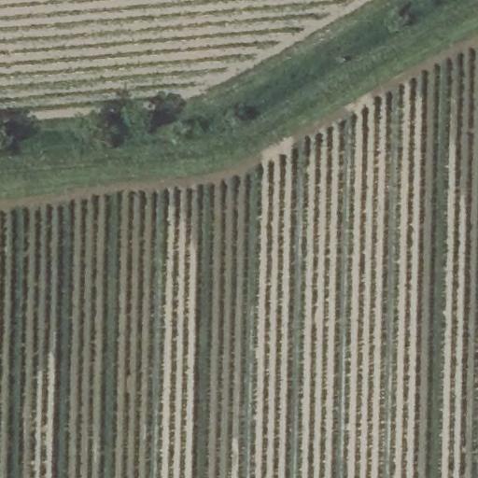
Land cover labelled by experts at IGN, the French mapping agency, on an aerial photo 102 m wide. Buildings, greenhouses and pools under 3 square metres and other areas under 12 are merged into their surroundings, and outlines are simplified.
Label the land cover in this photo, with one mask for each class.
<instances>
[{"label":"vineyard","instance_id":"1","mask_svg":"<svg viewBox=\"0 0 478 478\"><path fill-rule=\"evenodd\" d=\"M370 0H0V106H24L30 112L28 118L84 116L91 114V118H97V114L105 106V101L110 99H136L174 93L187 99L200 95L209 86L235 77L237 73L263 62L265 58L288 49L295 41H302L317 28L327 26L338 17H344ZM0 478H478V32L465 35L452 45H448L446 49H439L437 54H431L428 58L413 63L409 69L400 71L398 77L375 84L370 93L362 95L355 103L332 110L327 116L317 119L316 123L304 125L299 131H295L271 148L250 155L245 161L220 168L218 172H198L190 176L157 179L121 177L105 181L103 185L90 183L78 189L45 192L35 196L4 198L0 194Z\"/></svg>","mask_w":478,"mask_h":478},{"label":"herbaceous vegetation","instance_id":"2","mask_svg":"<svg viewBox=\"0 0 478 478\"><path fill-rule=\"evenodd\" d=\"M377 9H383L387 15L388 11L394 9L400 13V26L403 30L392 39H388L387 43L377 45L370 52H364L357 58H353V54H345V58L338 56L336 69L329 71L323 80H317L314 84H308L306 88L295 91L291 97L265 110L263 114H258L254 106H246L245 114L248 121H239L232 133H222L220 138L192 140L194 133L187 131L183 140L189 142L183 148H168V138L162 131L164 125L177 121L183 125H198L202 129H207L213 121L215 112H226L228 108L232 110L233 103L243 101L245 91L260 88L261 84H265L273 75L293 71V67L301 62L306 52H312L317 58L325 52L342 47V43L351 39L353 35L351 28L360 22H368L372 11ZM478 32V0H370L344 17H338L327 26L317 28L302 41H295L288 49L265 58L263 62L237 73L235 77L209 86L200 95L187 99L174 93L136 99H110L105 101V106L97 114V118L99 127L91 136L101 140L105 153H93L90 161H77L71 164L69 172L50 174L37 181L15 177L13 181L0 185V194L4 198L35 196L45 192L78 189L90 183L103 185L105 181L121 177L157 179L190 176L198 172H218L220 168L245 161L250 155L271 148L295 131H299L304 125L316 123L317 119L327 116L332 110L355 103L362 95L370 93L375 84L398 77L400 71L409 69L413 63L428 58L431 54H437L439 49H446L448 45H452L465 35ZM30 112L24 106H0V159L4 155H19V142L32 134H58L65 131L78 133L82 121L86 119L84 116L28 118Z\"/></svg>","mask_w":478,"mask_h":478},{"label":"deciduous trees","instance_id":"3","mask_svg":"<svg viewBox=\"0 0 478 478\"><path fill-rule=\"evenodd\" d=\"M353 35L351 39L342 43V47L325 52L317 58L312 52H306L301 62L293 67V71L273 75L265 84H261L260 88L245 91L243 101L233 103L232 110L228 108L226 112H215L213 121L207 129H202L198 125H183L177 121L164 125L162 131L168 138V148H183L189 142L183 140L187 131L194 133L192 140L220 138L222 133H232L239 121H248L245 114L246 106H254L258 114H263L265 110L291 97L295 91L306 88L308 84H314L317 80H323L329 71L336 69L338 56L345 58V54H353V58H357L364 52H370L377 45L387 43L388 39H392L403 30L400 26V13L394 9L388 11L387 15L383 9H377L372 11L368 22H360L351 28ZM86 119L82 121L78 133L65 131L58 134H32L19 142V155H4L0 159V185L13 181L15 177L37 181L50 174L69 172L71 164L77 161H90L93 153H105L101 140L91 136L99 127L97 118H91V114L84 116Z\"/></svg>","mask_w":478,"mask_h":478}]
</instances>
